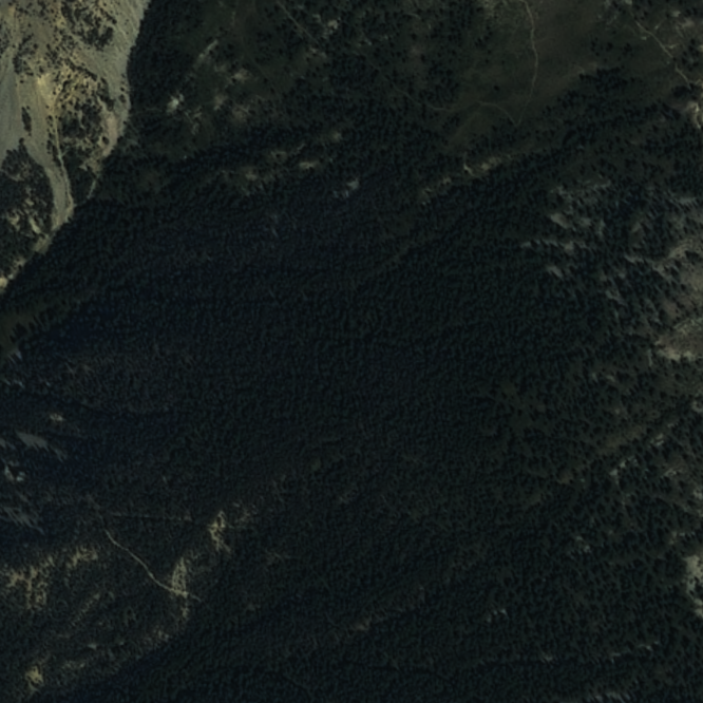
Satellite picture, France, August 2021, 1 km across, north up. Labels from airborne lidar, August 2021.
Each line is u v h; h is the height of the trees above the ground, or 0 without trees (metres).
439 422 13
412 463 7
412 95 12
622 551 12
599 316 17
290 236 10
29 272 12
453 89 9
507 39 0
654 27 0
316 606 19
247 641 13
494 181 11
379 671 18
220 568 10
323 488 11
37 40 0
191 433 19
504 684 18
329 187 8
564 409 7
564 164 8
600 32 0
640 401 11
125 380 16
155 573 12
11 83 0
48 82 0
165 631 9
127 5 0
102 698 17
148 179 0
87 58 0
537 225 7
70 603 12
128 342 18
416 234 11
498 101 0
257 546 18
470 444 12
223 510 7
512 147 11
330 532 12
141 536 16
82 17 10
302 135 10
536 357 13
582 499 9
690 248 0
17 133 0
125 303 11
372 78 6
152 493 20
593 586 15
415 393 11
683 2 8
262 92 0
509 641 15
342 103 6
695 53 7
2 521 8
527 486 13
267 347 7
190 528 16
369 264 11
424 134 15
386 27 13
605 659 12
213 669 20
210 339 17
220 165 11
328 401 11
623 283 12
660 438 0
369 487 11
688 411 10
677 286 8
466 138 0
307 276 16
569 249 0
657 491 14
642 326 8
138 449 9
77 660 10
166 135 14
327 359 17
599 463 10
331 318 18
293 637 12
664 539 17
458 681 13
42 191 15
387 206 11
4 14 0
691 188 8
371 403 11
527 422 0
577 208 9
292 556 13
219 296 18
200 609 16
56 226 0
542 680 18
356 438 10
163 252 6
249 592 9
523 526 11
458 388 9
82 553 6
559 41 0
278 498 14
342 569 14
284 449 13
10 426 11
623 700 0
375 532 14
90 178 8
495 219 11
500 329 11
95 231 17
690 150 8
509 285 11
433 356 16
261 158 8
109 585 9
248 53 0
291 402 15
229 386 16
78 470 9
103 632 12
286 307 16
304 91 6
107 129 0
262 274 12
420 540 11
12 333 0
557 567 6
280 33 11
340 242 11
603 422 13
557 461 8
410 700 16
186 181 16
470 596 11
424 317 16
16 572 6
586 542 13
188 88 10
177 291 12
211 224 10
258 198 10
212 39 6
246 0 0
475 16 10
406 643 17
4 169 7
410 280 15
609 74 10
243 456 22
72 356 9
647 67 0
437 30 7
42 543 7
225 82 0
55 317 22
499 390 14
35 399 16
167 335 11
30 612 8
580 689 19
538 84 0
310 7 14
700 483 0
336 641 16
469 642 23
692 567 0
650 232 12
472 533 8
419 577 16
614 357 14
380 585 17
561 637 9
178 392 17
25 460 8
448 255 10
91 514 14
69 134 11
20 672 12
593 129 10
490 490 10
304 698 21
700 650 14
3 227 10
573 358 14
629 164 10
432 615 17
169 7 13
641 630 16
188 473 16
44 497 12
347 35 14
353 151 6
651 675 19
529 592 16
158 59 16
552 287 16
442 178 8
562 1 0
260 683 21
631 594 14
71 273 20
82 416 15
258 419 18
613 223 7
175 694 22
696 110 0
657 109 8
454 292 16
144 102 15
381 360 13
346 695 15
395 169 10
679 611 19
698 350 0
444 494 14
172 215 10
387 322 10
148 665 13
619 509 13
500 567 12
